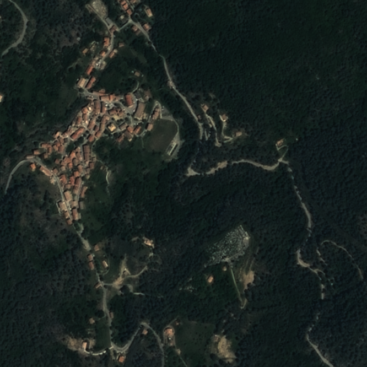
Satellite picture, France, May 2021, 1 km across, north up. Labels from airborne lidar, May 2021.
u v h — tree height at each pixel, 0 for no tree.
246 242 0
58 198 0
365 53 7
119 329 9
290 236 23
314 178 17
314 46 11
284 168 20
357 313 17
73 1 9
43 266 13
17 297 22
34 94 11
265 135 19
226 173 22
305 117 19
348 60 18
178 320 10
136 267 0
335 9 8
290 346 22
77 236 10
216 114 10
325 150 20
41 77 8
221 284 13
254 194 27
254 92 17
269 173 12
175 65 11
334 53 7
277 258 17
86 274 22
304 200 17
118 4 10
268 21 15
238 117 8
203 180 14
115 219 9
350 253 16
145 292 25
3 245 23
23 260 6
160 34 11
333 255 17
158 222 18
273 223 22
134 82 12
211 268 11
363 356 17
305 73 10
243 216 28
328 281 11
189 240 21
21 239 18
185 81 12
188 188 20
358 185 11
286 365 19
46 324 23
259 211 27
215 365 0
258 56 16
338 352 19
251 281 0
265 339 25
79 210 14
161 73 14
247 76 11
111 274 0
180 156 20
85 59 0
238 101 8
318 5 14
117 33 17
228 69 15
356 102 19
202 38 11
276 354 14
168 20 8
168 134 0
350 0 14
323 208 18
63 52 13
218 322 12
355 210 14
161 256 19
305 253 15
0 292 17
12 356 7
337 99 19
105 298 0
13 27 11
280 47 12
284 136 17
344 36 16
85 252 0
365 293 13
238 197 26
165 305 26
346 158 17
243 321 24
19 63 9
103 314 15
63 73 7
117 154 6
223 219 27
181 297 7
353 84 12
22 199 14
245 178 20
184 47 16
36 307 24
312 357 10
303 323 10
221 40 8
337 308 9
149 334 13
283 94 13
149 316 17
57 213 6
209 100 10
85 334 10
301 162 19
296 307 28
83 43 9
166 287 29
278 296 28
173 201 21
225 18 11
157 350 18
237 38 12
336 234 18
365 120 24
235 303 20
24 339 21
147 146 0
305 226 9
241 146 9
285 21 7
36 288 20
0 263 7
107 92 6
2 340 20
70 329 14
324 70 12
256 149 14
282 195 7
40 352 14
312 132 14
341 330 19
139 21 11
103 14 0
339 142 22
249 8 13
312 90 20
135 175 6
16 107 28
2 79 17
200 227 17
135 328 17
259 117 15
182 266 26
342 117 21
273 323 20
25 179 12
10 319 19
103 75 9
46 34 10
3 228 21
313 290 19
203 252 7
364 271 6
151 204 13
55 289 25
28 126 8
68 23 14
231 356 0
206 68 18
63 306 16
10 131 8
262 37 17
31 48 8
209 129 12
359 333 6
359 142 16
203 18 16
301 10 15
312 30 18
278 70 13
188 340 0
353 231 10
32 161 0
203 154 22
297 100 9
